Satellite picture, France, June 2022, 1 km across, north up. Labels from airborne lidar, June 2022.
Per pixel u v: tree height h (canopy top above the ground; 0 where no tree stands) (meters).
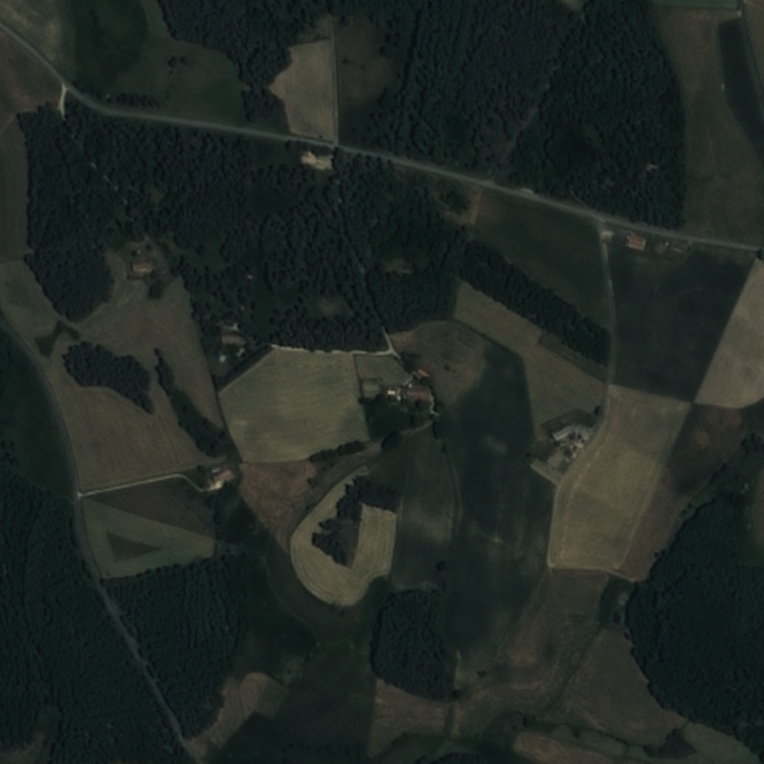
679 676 26
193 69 0
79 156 17
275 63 15
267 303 0
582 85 14
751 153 0
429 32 23
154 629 21
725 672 26
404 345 0
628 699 0
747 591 23
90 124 9
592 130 0
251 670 0
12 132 0
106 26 0
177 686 20
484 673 9
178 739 14
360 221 22
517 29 19
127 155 17
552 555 0
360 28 0
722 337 0
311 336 12
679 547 13
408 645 24
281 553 0
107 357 20
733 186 0
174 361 0
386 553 0
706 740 0
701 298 0
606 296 0
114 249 0
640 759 0
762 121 0
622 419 0
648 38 15
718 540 19
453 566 0
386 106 14
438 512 0
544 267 0
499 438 0
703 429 0
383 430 0
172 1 22
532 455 10
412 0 23
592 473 0
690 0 0
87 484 0
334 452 12
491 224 0
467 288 0
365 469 0
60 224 19
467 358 0
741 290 0
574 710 0
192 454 0
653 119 18
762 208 0
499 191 0
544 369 0
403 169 0
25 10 0
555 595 0
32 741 16
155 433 0
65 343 0
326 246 21
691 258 0
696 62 0
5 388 10
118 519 0
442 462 0
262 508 0
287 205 0
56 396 0
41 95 0
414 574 0
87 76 0
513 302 16
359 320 19
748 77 0
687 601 29
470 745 0
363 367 0
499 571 0
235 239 19
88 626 20
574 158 18
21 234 0
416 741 0
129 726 19
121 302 0
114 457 0
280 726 0
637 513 0
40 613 19
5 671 21
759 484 0
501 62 22
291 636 0
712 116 0
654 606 15
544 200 0
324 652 0
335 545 17
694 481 0
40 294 0
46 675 11
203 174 22
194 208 18
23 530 21
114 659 21
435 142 16
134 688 21
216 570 20
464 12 21
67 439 0
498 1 8
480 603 0
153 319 0
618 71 18
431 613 23
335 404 0
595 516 0
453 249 18
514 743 0
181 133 19
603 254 0
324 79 0
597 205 17
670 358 0
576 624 0
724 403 0
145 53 0
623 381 0
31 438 0
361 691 0
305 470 0
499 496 0
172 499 0
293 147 19
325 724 0
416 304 22
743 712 18
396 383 0
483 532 0
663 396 0
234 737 0
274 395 0
